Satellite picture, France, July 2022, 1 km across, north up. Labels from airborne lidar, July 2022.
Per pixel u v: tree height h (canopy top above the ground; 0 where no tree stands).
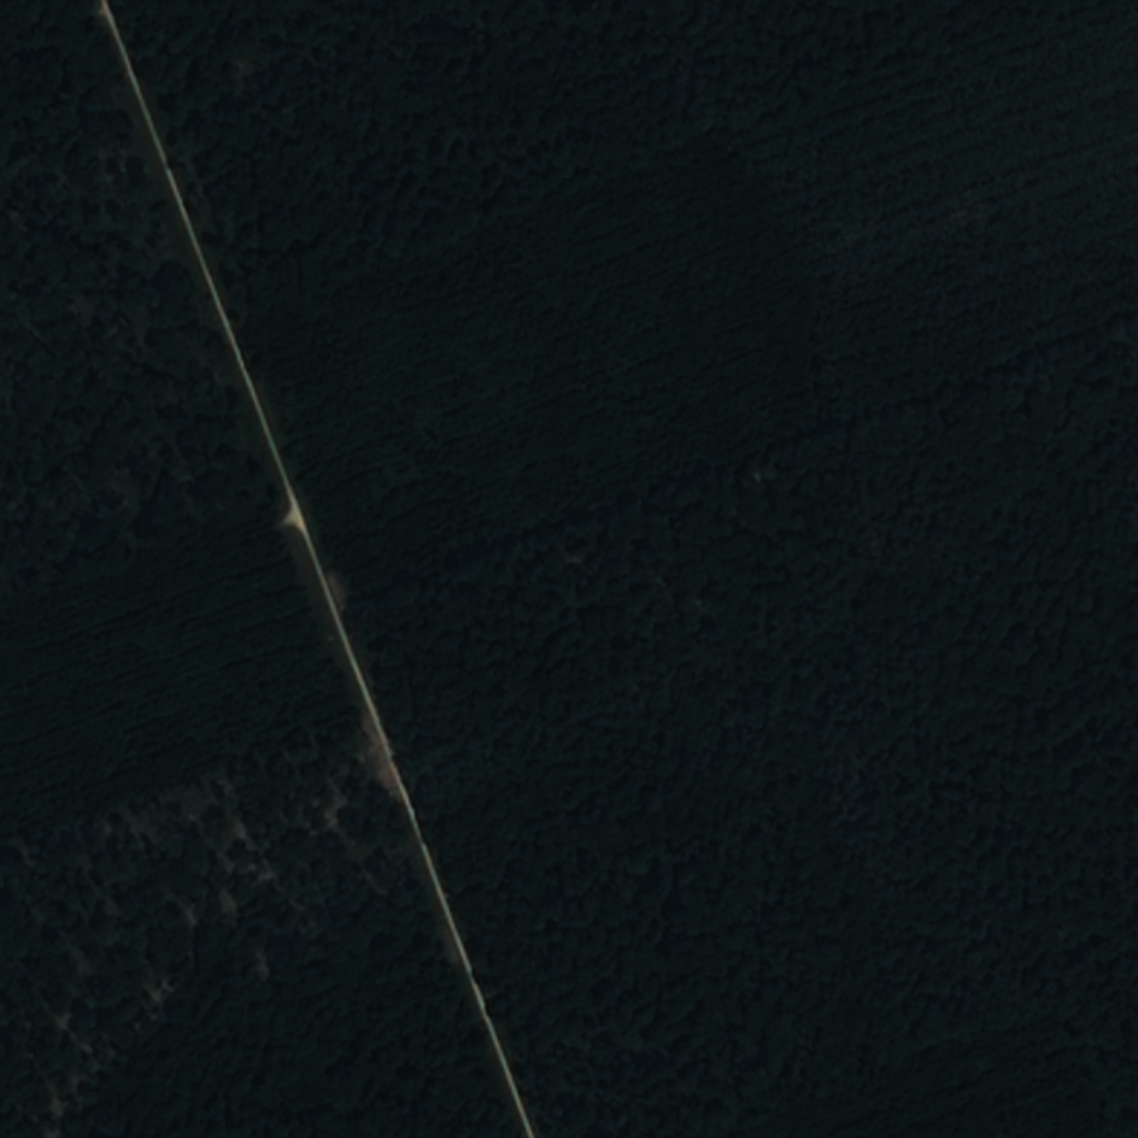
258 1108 26
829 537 28
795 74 24
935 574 17
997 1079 7
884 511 22
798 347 8
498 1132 9
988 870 25
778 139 14
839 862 26
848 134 13
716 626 26
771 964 25
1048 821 25
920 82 11
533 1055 7
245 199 25
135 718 5
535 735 21
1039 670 25
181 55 29
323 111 18
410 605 27
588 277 6
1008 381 28
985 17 23
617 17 26
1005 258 19
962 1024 21
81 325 27
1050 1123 8
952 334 16
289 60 25
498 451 8
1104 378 28
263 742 7
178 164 21
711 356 7
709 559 27
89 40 25
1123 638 19
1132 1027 28
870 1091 10
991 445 31
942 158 13
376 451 6
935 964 25
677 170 6
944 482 24
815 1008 24
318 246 22
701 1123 27
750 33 24
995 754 24
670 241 7
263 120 26
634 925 25
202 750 7
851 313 19
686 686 28
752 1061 27
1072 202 16
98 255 10
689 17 25
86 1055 17
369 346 7
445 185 17
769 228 10
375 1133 20
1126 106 15
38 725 8
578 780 29
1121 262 15
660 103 24
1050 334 13
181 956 19
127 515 24
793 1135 6
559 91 23
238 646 7
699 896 27
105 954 25
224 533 8
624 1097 8
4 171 26
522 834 21
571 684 24
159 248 20
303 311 9
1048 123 15
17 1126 22
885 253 15
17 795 7
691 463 7
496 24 24
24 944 23
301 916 17
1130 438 21
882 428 29
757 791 24
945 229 17
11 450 21
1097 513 23
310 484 7
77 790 8
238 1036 17
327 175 26
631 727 22
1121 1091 23
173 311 26
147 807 21
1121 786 24
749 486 28
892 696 24
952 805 21
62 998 28
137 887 19
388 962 24
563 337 7
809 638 20
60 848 25
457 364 6
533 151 8
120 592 8
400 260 7
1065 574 27
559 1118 22
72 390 23
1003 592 21
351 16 23
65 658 7
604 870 20
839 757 29
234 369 0
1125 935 27
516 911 27
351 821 22
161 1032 17
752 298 8
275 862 18
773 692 29
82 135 27
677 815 22
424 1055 24
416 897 22
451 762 27
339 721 7
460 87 20
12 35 26
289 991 22
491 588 24
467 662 26
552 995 27
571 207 7
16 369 22
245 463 25
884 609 22
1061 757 21
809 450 26
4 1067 26
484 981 24
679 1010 25
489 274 12
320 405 5
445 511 9
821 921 25
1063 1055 10
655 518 28
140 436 21
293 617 7
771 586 26
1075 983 26
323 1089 20
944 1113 6
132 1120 21
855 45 15
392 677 20
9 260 25
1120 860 26
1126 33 14
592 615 29
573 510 7
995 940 27
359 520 7
